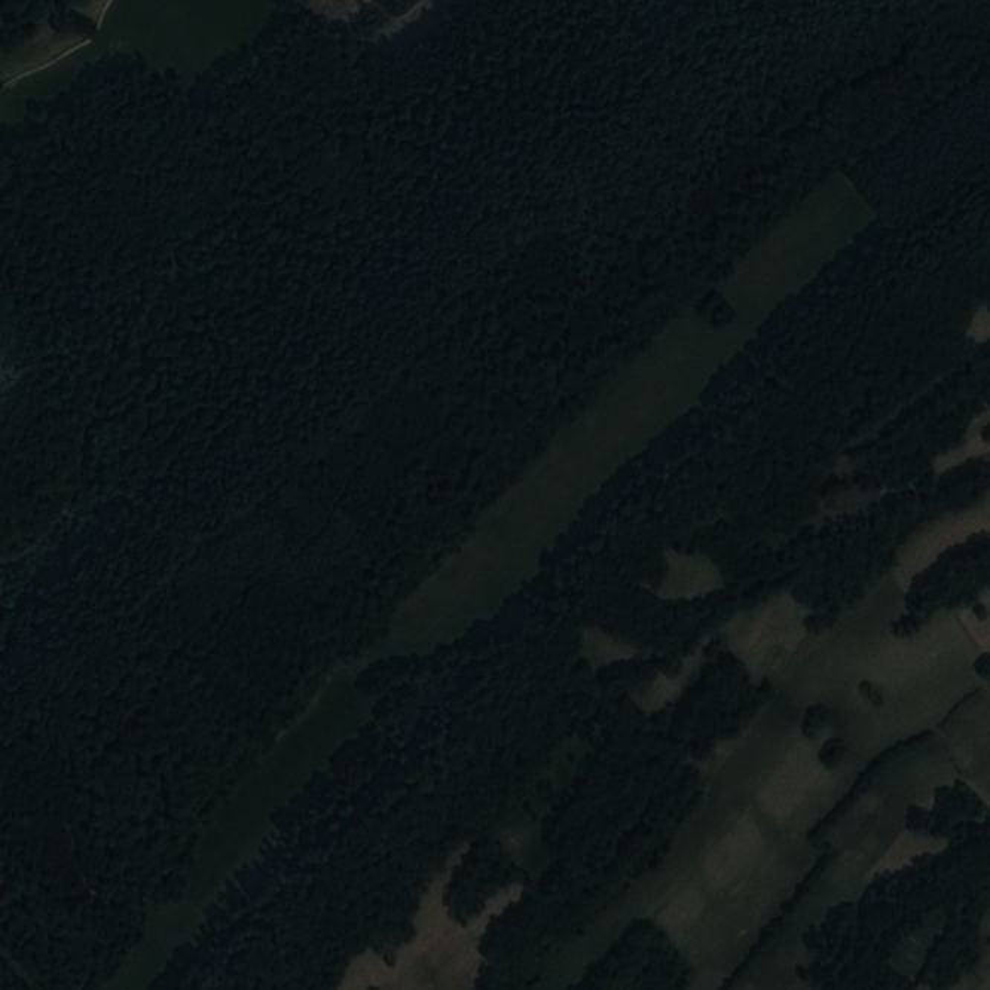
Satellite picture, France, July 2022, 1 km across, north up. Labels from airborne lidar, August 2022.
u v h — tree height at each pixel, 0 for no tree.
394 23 0
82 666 22
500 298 9
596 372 21
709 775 0
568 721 22
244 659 14
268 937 15
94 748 26
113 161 27
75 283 36
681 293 22
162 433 32
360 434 14
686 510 17
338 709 0
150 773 25
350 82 30
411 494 20
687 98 23
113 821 18
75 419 18
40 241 21
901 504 24
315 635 15
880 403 17
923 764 0
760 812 0
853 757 0
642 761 24
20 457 20
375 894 22
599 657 0
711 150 6
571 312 7
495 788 27
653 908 0
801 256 0
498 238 22
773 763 0
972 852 21
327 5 0
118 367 32
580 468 0
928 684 0
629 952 18
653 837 16
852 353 22
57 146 30
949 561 19
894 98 23
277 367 27
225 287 28
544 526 0
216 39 0
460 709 31
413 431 12
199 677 17
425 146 19
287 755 0
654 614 21
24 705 29
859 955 22
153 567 23
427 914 0
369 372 22
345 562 17
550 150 26
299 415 30
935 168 32
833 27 19
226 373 31
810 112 14
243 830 0
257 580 13
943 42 19
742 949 0
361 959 0
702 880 0
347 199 30
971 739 0
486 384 20
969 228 24
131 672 21
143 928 13
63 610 16
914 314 18
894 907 22
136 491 25
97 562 37
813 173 22
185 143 33
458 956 0
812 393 20
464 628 0
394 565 19
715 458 24
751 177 19
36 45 0
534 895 24
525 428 17
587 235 24
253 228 28
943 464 0
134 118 30
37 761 15
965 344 18
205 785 26
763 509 20
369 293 32
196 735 21
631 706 24
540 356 21
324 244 33
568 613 28
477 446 20
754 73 19
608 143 20
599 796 23
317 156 27
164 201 28
